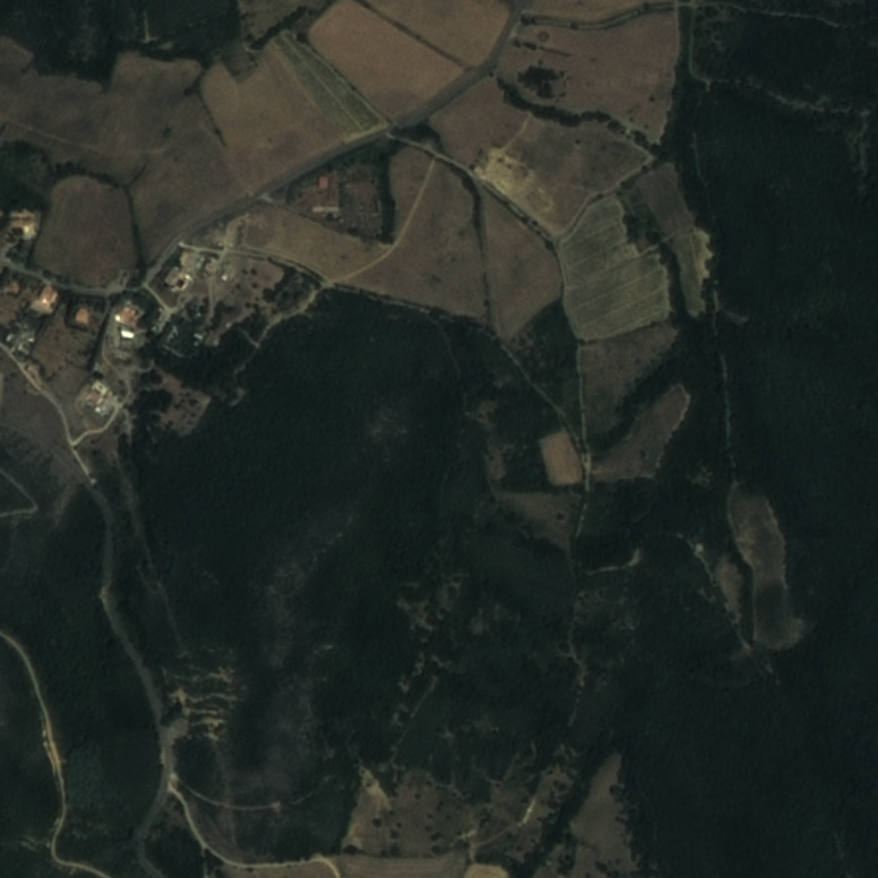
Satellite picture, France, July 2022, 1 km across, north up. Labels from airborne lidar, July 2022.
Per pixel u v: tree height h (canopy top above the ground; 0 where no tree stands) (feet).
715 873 18
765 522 0
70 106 0
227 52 0
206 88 0
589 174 0
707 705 21
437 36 0
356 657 32
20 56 0
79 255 0
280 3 0
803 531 27
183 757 22
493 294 0
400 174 0
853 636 19
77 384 0
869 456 25
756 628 0
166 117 0
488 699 30
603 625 20
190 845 26
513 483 25
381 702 30
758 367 30
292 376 23
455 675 38
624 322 0
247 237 0
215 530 25
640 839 26
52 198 0
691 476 26
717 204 26
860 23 21
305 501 19
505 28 0
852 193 37
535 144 0
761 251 25
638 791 32
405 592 33
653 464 0
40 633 36
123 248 0
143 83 0
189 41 21
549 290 0
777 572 0
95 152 0
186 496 22
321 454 20
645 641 25
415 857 0
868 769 23
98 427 0
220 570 26
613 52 0
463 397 24
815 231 19
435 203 0
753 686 30
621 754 22
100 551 32
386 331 20
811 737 33
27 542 0
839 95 27
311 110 0
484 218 0
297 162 0
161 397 45
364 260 0
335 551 17
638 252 0
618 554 38
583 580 23
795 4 24
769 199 21
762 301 29
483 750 24
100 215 0
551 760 32
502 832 0
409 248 0
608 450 23
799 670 24
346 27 0
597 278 0
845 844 21
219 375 24
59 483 0
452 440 23
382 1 0
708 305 31
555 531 0
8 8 28
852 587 21
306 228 0
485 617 29
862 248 31
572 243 0
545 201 0
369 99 0
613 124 25
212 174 0
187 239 0
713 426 19
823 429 30
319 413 29
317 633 21
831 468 28
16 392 0
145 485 29
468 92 0
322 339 25
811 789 30
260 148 0
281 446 20
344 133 0
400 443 19
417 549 28
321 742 30
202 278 0
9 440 0
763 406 20
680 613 27
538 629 23
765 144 17
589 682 25
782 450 28
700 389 29
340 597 26
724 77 22
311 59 0
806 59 18
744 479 30
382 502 19
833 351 33
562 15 0
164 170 0
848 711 31
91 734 31
